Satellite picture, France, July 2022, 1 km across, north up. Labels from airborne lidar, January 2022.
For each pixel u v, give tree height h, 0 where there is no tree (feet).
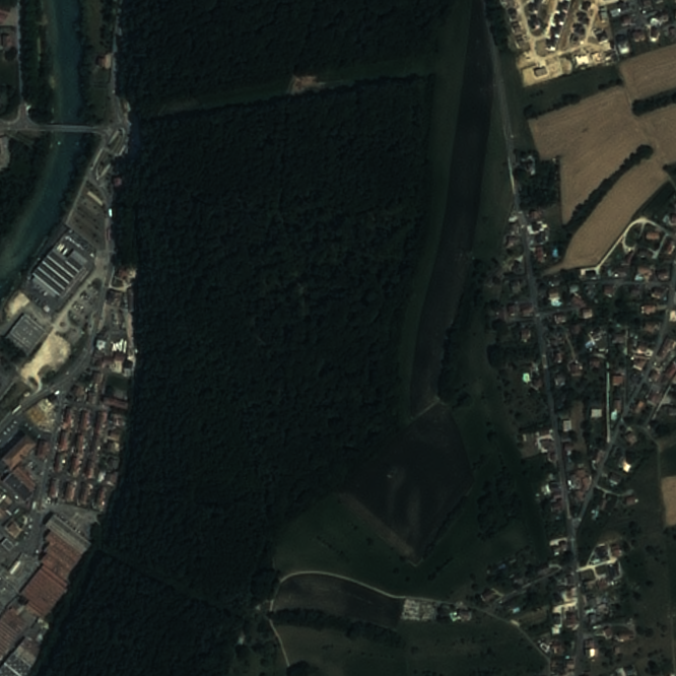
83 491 0
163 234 70
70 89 0
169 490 54
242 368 64
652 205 0
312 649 0
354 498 0
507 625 0
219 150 60
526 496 0
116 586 70
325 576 0
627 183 0
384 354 92
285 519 42
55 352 0
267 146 77
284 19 83
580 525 0
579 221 20
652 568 0
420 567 0
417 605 0
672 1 0
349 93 88
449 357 48
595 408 0
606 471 0
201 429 20
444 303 0
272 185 68
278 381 78
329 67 78
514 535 0
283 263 80
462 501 21
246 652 49
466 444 0
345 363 85
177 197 107
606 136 0
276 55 95
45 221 0
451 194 0
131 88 54
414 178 74
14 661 0
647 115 0
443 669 0
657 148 0
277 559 0
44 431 0
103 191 0
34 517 0
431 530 0
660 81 0
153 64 91
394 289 83
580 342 28
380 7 88
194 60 78
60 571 0
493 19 74
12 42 0
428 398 0
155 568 58
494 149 0
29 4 66
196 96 50
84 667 65
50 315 0
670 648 0
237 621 48
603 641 20
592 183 0
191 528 85
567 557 28
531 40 0
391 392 75
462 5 0
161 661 73
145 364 68
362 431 84
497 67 0
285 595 0
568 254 0
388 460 0
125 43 74
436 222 0
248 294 58
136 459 51
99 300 0
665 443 0
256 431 59
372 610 0
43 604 0
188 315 90
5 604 0
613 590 0
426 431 0
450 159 0
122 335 0
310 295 23
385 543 0
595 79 0
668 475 0
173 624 79
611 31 0
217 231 73
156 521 62
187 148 77
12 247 0
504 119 0
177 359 62
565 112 0
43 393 0
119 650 71
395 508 0
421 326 0
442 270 0
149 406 62
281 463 61
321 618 55
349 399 84
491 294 0
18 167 0
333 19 73
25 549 0
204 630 91
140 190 73
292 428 64
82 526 0
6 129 0
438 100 0
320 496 54
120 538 65
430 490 0
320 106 92
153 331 68
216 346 82
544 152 0
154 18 76
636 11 0
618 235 0
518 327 20
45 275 0
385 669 0
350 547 0
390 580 0
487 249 0
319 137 84
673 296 0
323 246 76
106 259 0
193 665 78
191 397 70
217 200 54
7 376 0
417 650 28
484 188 0
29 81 71
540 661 0
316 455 71
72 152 0
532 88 0
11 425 0
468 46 0
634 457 31
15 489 0
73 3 0
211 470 26
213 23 86
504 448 0
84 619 76
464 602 0
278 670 0
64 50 0
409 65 0
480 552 0
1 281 0
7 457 0
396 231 82
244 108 53
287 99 55
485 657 30
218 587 63
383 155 73
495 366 28
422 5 80
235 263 60
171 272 44
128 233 69
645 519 0
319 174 73
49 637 45
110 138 0
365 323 86
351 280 66
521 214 0
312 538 0
